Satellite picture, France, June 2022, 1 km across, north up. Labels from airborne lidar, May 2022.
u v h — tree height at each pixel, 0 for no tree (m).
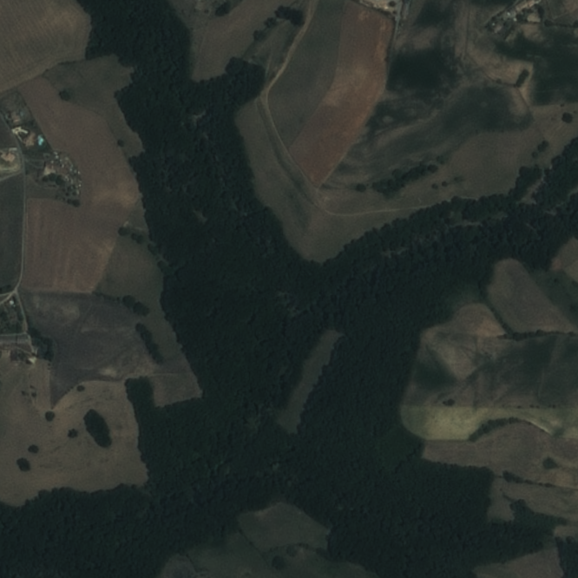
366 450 14
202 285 32
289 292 32
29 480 0
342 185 0
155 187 19
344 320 28
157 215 15
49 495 19
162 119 34
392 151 0
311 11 0
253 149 0
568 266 0
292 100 0
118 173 0
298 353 24
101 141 0
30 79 0
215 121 25
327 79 0
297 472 30
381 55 0
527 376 0
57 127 0
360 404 22
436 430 0
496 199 21
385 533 35
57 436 0
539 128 0
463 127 0
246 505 22
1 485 0
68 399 0
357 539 23
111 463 0
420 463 17
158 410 16
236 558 0
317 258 0
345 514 27
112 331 0
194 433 13
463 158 0
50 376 0
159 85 30
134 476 0
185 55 15
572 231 17
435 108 0
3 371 0
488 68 0
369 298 24
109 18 18
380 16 0
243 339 23
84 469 0
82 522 29
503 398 0
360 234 0
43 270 0
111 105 0
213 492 20
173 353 0
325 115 0
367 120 0
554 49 0
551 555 0
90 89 0
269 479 25
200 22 0
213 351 20
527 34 0
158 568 18
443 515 26
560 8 0
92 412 13
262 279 24
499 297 0
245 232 25
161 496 7
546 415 0
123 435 0
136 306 14
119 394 0
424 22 0
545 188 23
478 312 0
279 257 32
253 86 21
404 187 14
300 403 0
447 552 22
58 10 0
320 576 0
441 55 0
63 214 0
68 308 0
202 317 27
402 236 25
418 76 0
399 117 0
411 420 0
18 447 0
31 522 25
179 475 22
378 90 0
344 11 0
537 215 22
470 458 0
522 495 0
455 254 27
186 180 25
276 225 21
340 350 15
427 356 0
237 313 26
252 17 0
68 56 0
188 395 0
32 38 0
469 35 0
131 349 0
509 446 0
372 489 13
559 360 0
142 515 21
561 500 0
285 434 22
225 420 22
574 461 0
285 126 0
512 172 0
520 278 0
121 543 7
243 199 28
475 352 0
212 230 16
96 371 0
